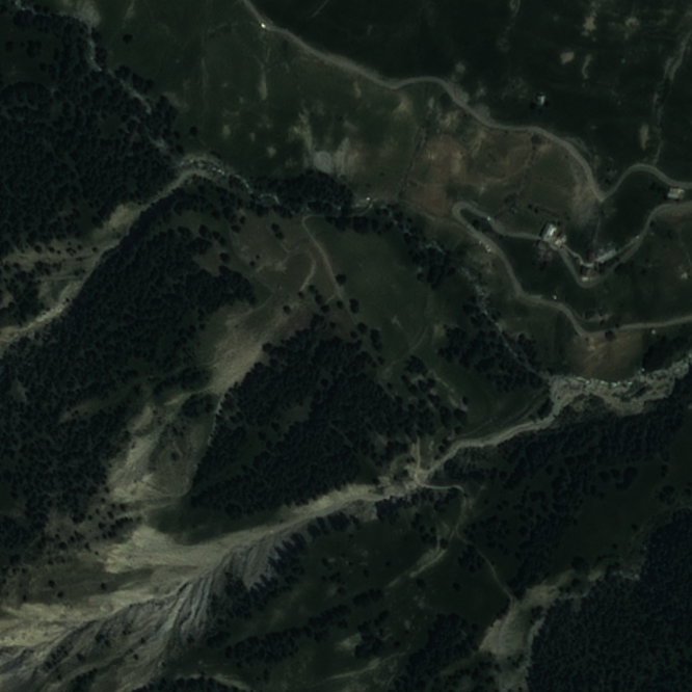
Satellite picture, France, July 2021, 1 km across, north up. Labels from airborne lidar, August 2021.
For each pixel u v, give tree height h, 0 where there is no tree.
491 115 0
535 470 21
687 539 19
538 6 0
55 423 11
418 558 0
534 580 18
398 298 0
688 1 0
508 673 0
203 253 24
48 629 0
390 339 0
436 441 0
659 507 0
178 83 0
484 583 0
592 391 0
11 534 15
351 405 12
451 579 0
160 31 0
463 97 0
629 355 0
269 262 0
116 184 19
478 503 0
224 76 0
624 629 17
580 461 16
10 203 13
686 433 0
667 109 0
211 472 21
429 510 0
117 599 0
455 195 0
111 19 0
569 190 0
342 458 20
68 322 9
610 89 0
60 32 26
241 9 0
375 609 0
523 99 0
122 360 21
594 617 18
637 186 0
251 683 0
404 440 0
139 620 0
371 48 0
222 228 0
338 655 0
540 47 0
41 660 0
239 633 0
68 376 18
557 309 0
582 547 0
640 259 0
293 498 20
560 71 0
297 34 0
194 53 0
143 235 15
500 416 0
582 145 0
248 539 0
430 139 0
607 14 0
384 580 0
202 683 19
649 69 0
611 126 0
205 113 0
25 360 7
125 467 0
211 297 23
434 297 0
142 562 0
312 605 0
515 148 0
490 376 14
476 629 16
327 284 0
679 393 12
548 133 0
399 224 17
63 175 17
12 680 0
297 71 0
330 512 0
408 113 0
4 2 13
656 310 0
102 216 22
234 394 13
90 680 9
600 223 0
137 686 0
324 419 25
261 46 0
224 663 0
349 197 13
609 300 0
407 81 0
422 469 0
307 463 23
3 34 0
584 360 0
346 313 0
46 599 0
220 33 0
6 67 0
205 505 22
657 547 7
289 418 0
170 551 0
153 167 10
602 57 0
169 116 18
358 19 0
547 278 0
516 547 0
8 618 0
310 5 0
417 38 0
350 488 0
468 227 0
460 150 0
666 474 12
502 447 8
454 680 11
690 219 0
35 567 0
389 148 0
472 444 0
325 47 0
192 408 12
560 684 11
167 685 17
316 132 0
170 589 0
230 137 0
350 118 0
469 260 0
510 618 0
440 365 0
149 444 0
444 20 0
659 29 0
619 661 17
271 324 0
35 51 17
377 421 17
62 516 0
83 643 0
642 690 9
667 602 16
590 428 14
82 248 11
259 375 21
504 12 0
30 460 12
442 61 0
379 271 0
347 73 0
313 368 19
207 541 0
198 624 0
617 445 18
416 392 22
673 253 0
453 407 0
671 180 0
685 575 17
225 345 0
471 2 0
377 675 0
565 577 0
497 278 0
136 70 0
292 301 0
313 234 0
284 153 0
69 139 25
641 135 0
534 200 0
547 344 0
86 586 0
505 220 0
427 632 0
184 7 0
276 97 0
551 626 14
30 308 20
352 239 0
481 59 0
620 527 0
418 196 0
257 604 11
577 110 0
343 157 0
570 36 0
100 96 21
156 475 0
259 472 23
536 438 10
